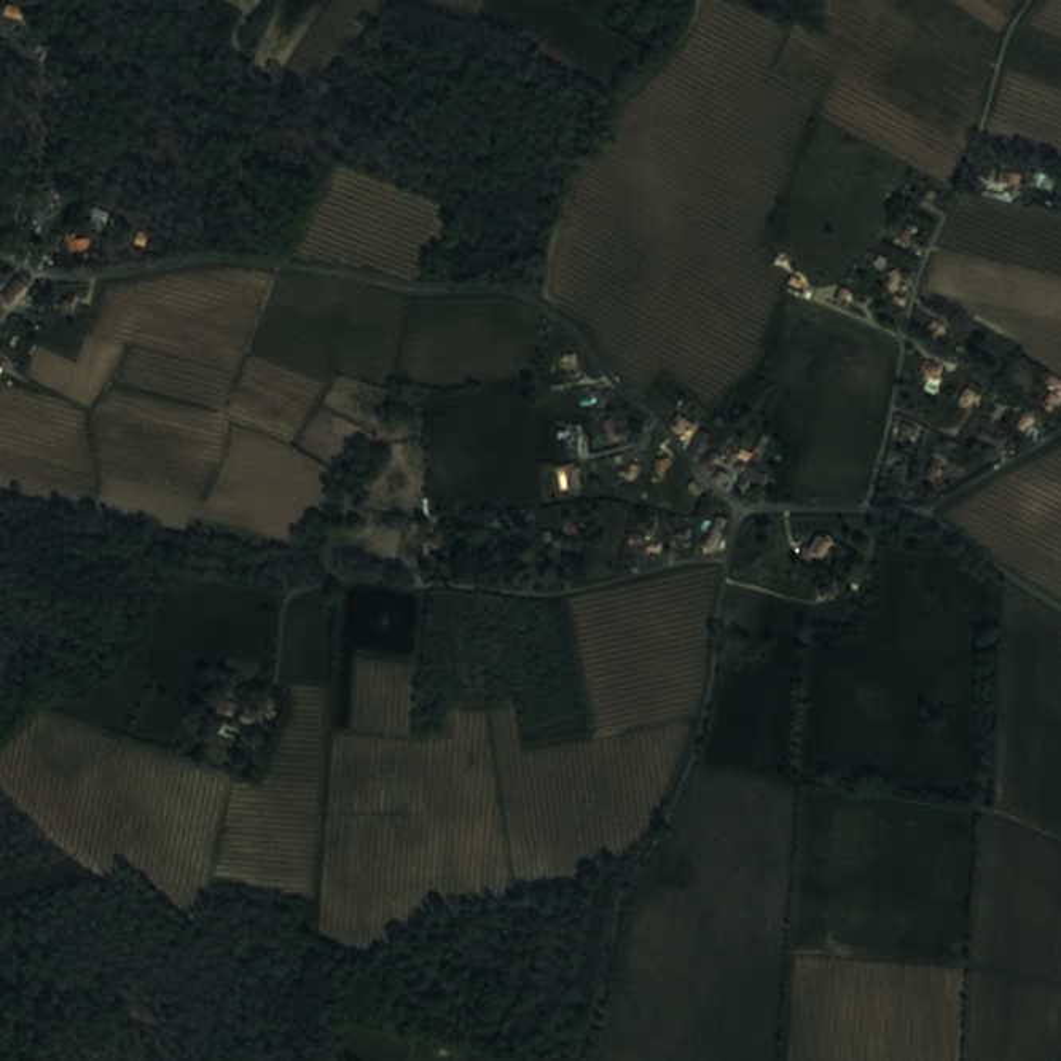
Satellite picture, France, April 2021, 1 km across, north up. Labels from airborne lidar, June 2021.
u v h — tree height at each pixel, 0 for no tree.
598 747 0
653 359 0
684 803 0
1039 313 0
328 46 0
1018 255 0
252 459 0
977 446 12
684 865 0
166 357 0
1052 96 0
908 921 0
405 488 0
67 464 0
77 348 0
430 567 18
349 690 0
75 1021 18
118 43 21
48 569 26
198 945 20
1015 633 0
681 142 0
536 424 0
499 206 11
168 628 0
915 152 0
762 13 13
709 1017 0
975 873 7
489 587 6
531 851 0
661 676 0
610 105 7
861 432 0
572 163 18
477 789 0
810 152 0
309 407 0
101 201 5
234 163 24
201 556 19
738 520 0
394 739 0
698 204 0
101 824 0
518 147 19
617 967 9
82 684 26
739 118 0
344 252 0
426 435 9
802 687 12
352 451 16
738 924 0
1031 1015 0
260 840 0
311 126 7
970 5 0
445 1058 0
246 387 0
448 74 12
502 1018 21
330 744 0
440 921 17
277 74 18
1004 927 0
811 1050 0
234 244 21
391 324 0
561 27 0
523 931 20
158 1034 11
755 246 0
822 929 0
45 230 0
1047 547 0
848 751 0
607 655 0
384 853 0
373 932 0
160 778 0
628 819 0
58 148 13
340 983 24
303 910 10
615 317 0
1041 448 0
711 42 0
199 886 0
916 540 13
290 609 0
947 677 0
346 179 0
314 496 0
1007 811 0
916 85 0
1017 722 0
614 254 0
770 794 0
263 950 17
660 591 0
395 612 0
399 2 15
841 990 0
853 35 0
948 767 0
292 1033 11
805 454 0
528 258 14
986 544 0
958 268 0
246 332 0
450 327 0
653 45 12
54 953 12
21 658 25
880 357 0
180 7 23
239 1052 26
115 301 0
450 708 15
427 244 0
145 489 0
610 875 15
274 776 0
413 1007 20
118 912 20
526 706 8
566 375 6
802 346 0
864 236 0
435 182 16
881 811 0
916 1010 0
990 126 0
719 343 0
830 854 0
